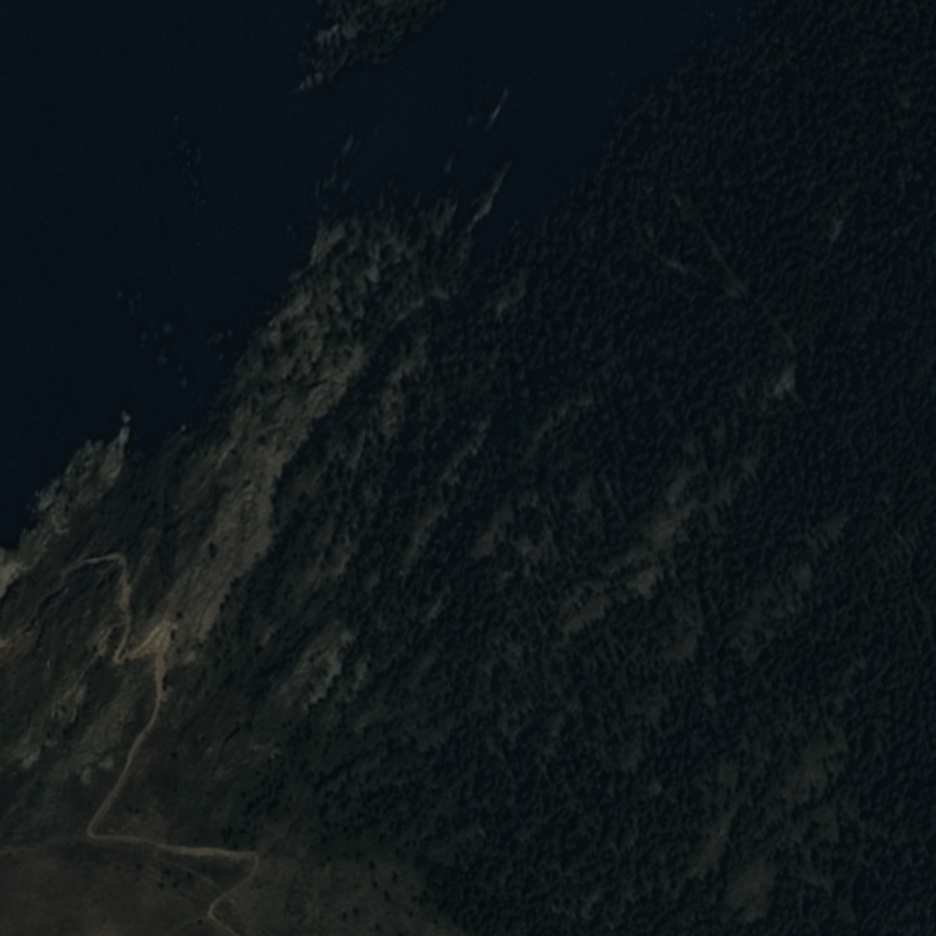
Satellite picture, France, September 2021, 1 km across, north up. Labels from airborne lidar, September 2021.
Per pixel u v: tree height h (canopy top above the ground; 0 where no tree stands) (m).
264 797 8
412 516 16
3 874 0
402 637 6
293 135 15
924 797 19
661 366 14
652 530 0
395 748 7
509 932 12
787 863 15
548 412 7
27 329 8
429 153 11
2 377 10
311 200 9
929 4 10
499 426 6
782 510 22
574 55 18
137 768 0
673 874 18
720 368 16
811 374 22
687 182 9
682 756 7
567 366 8
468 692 12
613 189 27
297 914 0
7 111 17
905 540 7
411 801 13
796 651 6
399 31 13
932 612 14
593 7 19
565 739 15
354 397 6
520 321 7
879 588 12
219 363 6
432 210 10
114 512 0
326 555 10
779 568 16
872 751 23
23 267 16
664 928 19
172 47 23
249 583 6
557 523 17
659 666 9
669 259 27
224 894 0
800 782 0
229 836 10
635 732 6
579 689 19
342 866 0
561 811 18
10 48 32
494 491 6
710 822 7
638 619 14
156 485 0
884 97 11
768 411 9
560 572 9
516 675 8
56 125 12
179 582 0
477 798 7
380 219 5
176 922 0
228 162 8
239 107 15
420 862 7
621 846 13
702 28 10
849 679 0
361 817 9
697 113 24
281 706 0
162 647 0
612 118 12
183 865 0
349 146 7
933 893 19
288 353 14
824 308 14
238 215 13
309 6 16
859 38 16
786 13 30
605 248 10
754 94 10
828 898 14
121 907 0
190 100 18
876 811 21
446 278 6
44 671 0
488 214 12
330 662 0
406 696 9
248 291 11
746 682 17
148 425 7
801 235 19
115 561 0
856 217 11
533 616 7
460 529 7
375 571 12
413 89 11
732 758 8
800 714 10
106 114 16
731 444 12
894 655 20
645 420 8
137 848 0
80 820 0
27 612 0
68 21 32
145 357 11
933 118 17
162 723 0
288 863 0
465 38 19
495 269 8
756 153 11
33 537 0
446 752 10
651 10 36
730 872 17
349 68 10
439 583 11
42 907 0
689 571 14
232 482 0
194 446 0
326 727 0
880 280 30
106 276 9
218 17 19
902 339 31
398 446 13
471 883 10
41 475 7
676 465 10
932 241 17
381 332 7
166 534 6
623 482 23
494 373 7
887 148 10
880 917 17
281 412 0
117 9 7
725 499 0
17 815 0
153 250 8
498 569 6
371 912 0
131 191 17
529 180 9
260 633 0
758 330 10
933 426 18
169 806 0
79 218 10
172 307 10
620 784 16
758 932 20
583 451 15
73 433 5
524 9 15
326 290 7
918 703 22
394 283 10
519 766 18
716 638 22
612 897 17
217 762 0
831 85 15
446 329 6
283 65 16
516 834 17
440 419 14
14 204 7
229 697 0
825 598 16
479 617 17
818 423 18
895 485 8
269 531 0
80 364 8
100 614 0
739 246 7
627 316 11
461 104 10
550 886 12
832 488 15
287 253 6
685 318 8
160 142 24
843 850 16
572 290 27
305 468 10
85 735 0
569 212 21
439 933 0
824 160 14
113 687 0
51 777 0
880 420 17
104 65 22
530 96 6
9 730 0
